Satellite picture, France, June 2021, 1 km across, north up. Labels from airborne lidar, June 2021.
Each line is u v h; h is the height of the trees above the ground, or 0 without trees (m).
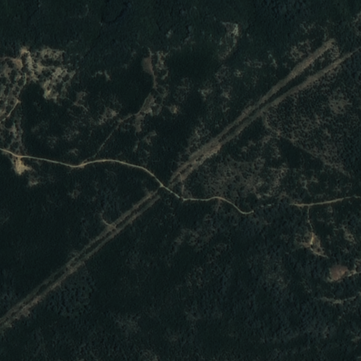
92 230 6
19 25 10
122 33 9
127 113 11
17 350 8
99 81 12
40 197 10
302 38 6
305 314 11
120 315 6
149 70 0
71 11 9
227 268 8
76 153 6
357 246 6
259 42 13
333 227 7
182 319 11
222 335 7
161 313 7
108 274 13
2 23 13
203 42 7
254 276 17
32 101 10
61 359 9
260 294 12
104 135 7
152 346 8
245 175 7
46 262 13
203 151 0
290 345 11
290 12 10
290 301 19
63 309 20
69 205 11
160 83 6
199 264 10
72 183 10
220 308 8
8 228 10
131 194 9
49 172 7
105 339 8
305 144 9
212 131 9
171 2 21
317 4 11
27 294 10
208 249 11
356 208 8
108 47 9
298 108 10
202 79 8
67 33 9
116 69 6
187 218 9
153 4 16
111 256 10
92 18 5
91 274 9
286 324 18
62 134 7
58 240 11
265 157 6
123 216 0
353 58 14
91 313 11
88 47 8
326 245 6
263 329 18
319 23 6
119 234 8
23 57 10
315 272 12
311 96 8
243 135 10
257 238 11
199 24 9
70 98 8
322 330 15
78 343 9
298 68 0
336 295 15
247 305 10
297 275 10
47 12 8
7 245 8
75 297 15
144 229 13
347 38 5
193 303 14
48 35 8
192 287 8
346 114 7
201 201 7
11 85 8
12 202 9
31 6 13
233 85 7
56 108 9
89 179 11
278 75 11
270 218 17
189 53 11
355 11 12
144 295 8
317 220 7
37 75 7
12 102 7
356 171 7
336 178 6
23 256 8
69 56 7
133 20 9
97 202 9
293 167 10
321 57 8
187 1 14
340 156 8
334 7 7
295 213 7
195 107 11
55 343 14
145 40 6
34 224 9
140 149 8
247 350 9
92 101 9
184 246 9
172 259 7
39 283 8
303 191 6
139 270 8
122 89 9
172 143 11
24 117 14
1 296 16
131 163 7
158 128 11
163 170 11
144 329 10
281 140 9
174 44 8
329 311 6
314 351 7
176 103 7
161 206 11
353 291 18
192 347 8
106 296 10
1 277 13
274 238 14
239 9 13
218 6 15
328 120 13
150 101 0
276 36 8
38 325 11
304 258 10
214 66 10
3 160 11
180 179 0
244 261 7
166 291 8
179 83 9
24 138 10
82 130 8
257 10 9
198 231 6
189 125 9
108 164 9
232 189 15
